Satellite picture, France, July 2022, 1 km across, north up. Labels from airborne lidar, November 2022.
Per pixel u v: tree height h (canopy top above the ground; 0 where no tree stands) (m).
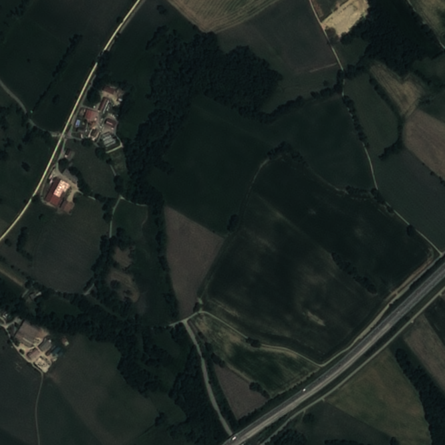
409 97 0
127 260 0
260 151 0
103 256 12
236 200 0
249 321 0
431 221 0
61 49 0
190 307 0
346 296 0
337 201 0
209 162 0
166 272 22
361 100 0
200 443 17
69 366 0
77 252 0
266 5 0
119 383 0
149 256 0
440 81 0
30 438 0
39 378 0
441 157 0
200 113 0
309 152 0
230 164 0
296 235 0
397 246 0
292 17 0
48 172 0
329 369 0
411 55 24
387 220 0
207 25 0
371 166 0
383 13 22
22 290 0
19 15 20
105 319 22
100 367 0
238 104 14
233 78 24
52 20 0
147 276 0
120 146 0
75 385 0
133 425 0
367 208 0
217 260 0
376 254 0
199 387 21
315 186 0
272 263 0
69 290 0
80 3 0
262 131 0
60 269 0
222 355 0
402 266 0
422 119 0
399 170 0
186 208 0
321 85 0
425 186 0
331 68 0
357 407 0
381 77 0
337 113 0
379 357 0
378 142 0
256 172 0
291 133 0
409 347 0
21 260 0
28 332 0
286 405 0
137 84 0
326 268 0
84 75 0
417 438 0
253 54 16
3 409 0
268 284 0
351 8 0
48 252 0
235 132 0
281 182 0
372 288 18
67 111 0
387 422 0
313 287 0
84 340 0
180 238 0
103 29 0
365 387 0
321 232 0
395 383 0
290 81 0
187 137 0
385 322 0
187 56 20
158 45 7
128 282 0
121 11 0
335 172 0
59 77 18
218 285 0
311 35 0
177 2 0
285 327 0
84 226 0
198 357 12
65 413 0
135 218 0
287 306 0
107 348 0
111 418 0
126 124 0
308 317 0
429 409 22
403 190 0
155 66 0
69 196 0
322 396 0
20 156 0
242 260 0
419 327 0
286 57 0
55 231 0
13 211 0
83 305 25
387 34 24
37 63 0
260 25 0
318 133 0
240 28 0
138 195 19
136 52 0
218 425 17
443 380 0
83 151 0
